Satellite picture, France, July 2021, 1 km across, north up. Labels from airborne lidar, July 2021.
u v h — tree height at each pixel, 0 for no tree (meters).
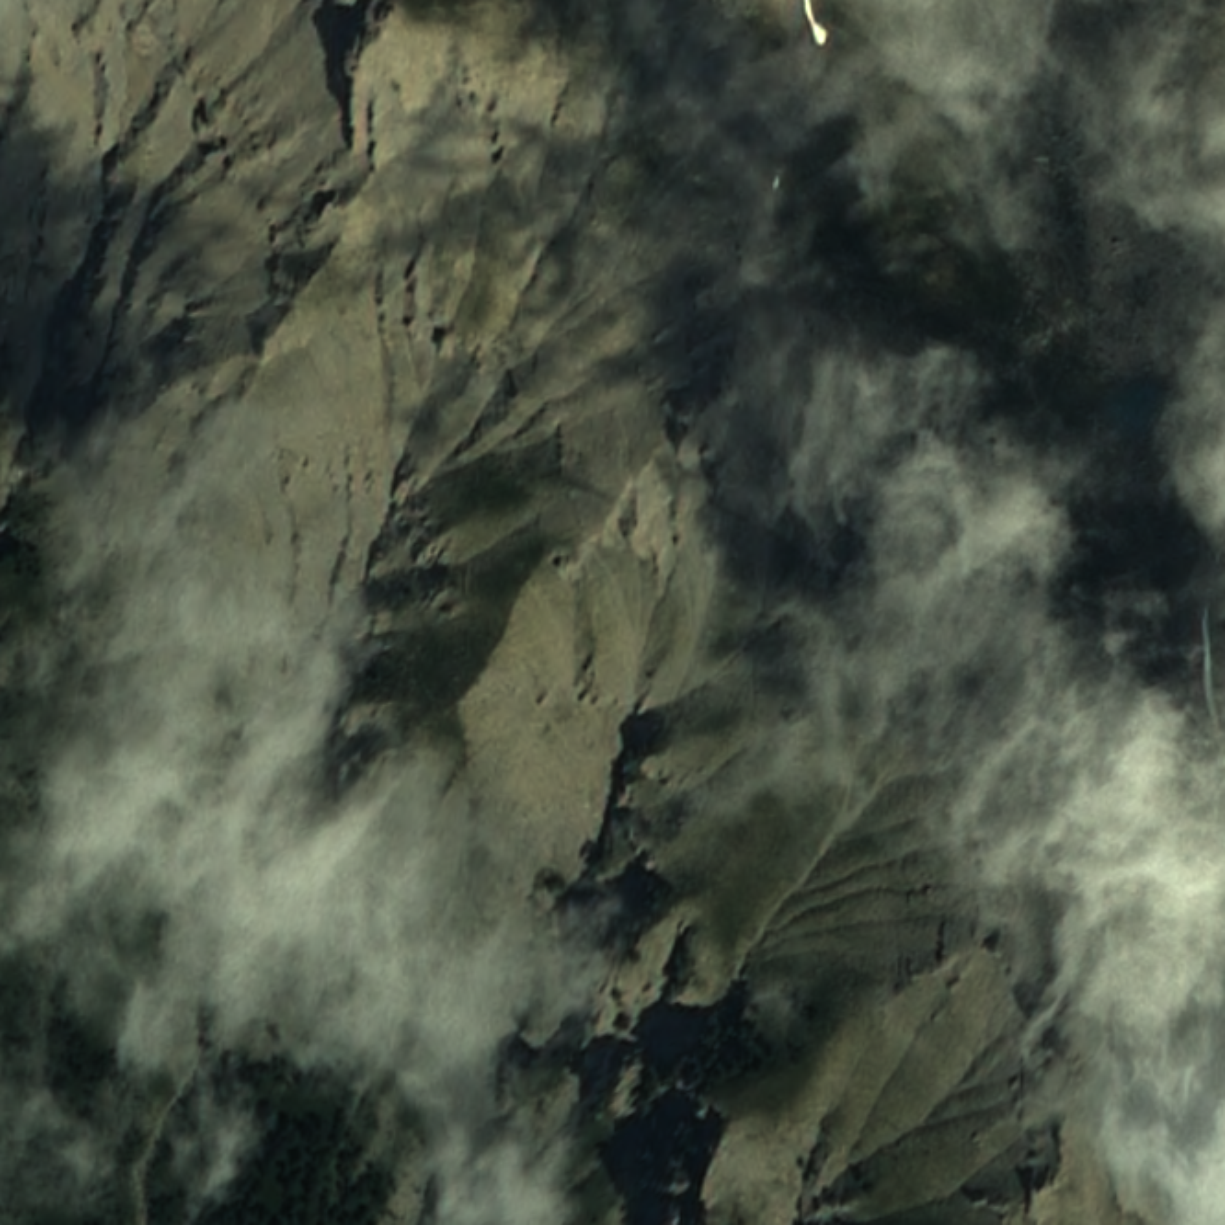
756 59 0
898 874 0
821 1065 0
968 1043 0
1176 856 0
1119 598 0
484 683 0
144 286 0
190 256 0
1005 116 0
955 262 0
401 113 0
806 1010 22
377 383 0
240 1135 22
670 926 0
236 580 0
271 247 0
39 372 0
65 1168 11
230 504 0
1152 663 0
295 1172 11
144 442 0
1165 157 0
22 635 0
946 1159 0
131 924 0
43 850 0
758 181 0
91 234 0
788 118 0
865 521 0
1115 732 0
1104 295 0
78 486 0
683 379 0
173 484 0
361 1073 14
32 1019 20
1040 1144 0
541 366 0
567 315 0
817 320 0
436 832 0
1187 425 0
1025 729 0
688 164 0
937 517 0
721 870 0
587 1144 0
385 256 0
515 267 0
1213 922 0
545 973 0
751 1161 0
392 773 0
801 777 0
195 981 0
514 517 0
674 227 0
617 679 0
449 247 0
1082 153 0
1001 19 0
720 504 0
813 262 0
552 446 0
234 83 0
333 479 0
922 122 0
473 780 0
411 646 0
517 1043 0
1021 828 0
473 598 0
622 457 0
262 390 0
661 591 0
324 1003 0
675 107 0
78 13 0
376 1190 11
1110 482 0
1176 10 0
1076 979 0
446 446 0
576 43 0
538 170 0
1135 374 0
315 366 0
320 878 0
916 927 0
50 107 0
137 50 0
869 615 0
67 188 0
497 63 0
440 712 0
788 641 0
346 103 0
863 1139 0
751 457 0
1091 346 0
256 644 0
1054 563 0
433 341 0
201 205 0
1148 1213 0
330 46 0
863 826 0
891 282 0
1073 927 0
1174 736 0
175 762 0
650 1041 0
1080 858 0
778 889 0
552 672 0
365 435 0
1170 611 0
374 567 0
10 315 0
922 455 0
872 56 0
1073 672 0
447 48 0
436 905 0
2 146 0
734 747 0
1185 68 0
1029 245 0
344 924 0
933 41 0
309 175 0
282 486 0
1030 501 0
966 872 0
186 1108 10
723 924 0
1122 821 0
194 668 0
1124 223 0
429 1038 12
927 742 0
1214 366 0
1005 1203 0
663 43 0
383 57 0
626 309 0
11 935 0
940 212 0
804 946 0
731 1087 0
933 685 0
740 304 0
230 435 0
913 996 0
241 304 0
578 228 0
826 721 0
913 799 0
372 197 0
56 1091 21
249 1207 24
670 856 0
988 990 0
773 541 0
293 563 0
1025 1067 0
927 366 0
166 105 0
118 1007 0
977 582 0
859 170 0
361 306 0
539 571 0
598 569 0
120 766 0
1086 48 0
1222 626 0
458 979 16
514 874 0
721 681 0
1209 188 0
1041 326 0
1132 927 0
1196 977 0
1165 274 0
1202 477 0
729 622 0
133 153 0
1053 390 0
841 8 0
